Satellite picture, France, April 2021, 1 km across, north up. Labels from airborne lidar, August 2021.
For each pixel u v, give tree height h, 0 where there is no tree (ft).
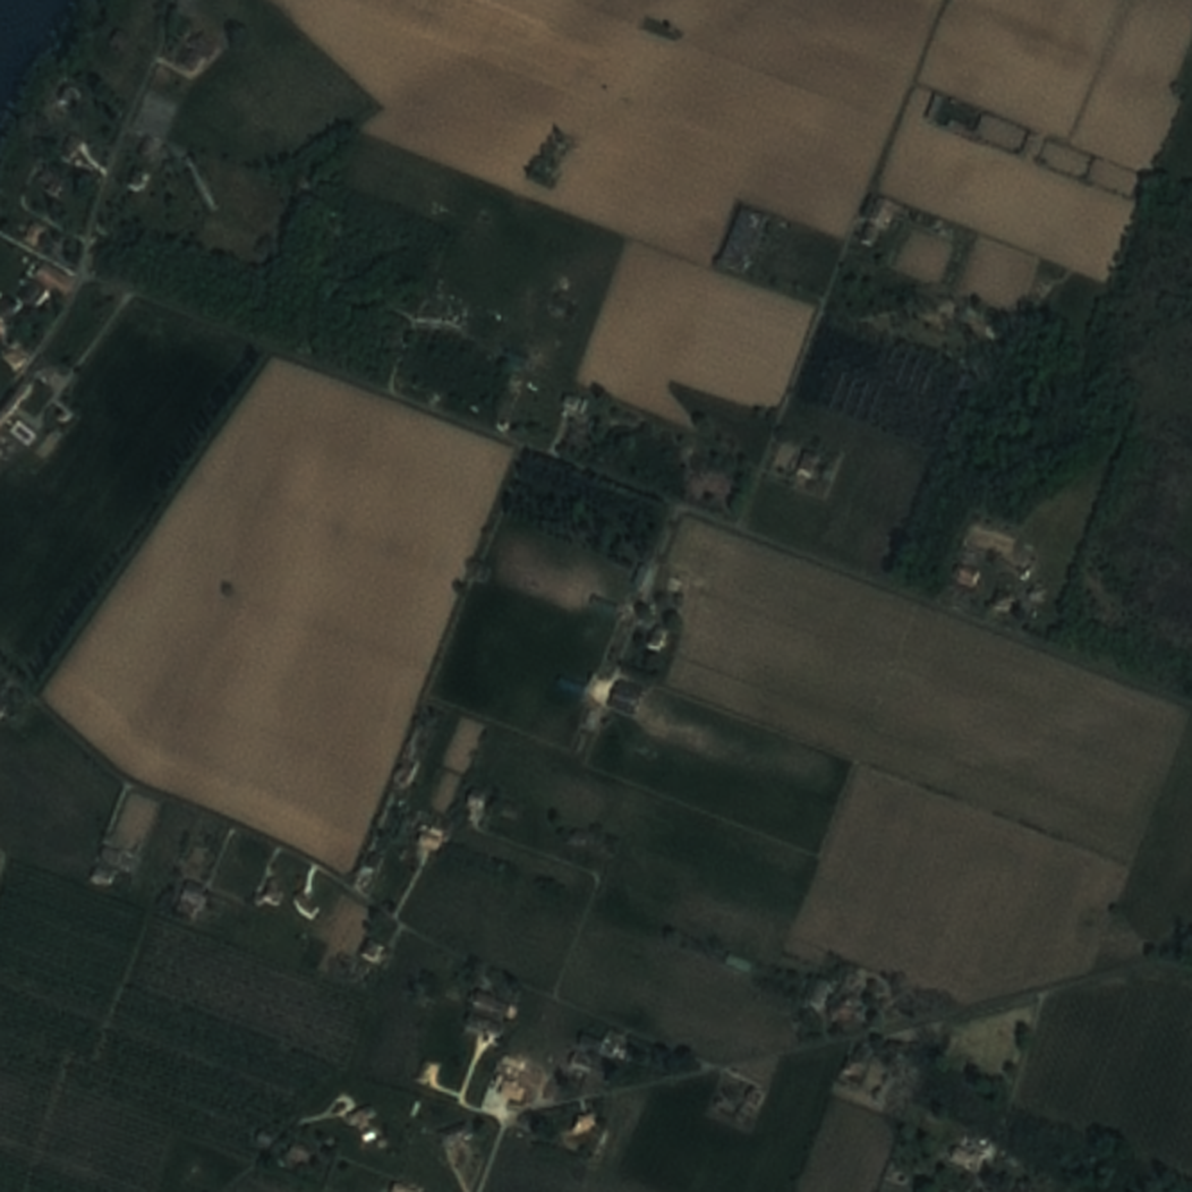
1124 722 0
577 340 0
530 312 0
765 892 0
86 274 0
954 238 0
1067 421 54
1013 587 0
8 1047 19
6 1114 20
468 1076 0
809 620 0
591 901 0
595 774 0
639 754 0
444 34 0
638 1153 0
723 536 0
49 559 0
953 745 0
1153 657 37
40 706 0
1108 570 17
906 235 0
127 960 18
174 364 0
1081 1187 89
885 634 0
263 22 0
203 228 0
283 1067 25
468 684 0
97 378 0
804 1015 34
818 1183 0
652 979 0
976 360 43
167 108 0
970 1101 29
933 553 52
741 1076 0
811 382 22
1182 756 0
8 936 23
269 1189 33
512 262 0
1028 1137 43
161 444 0
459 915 0
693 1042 0
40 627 0
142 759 0
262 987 20
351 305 45
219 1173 0
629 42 0
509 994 31
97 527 0
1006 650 0
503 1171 0
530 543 0
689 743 0
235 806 0
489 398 21
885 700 0
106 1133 19
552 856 0
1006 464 78
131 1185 18
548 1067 0
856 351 24
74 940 21
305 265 58
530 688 0
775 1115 0
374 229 22
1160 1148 24
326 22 0
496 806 38
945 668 0
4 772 0
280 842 0
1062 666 0
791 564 0
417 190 0
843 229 0
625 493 51
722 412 0
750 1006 0
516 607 0
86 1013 21
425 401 0
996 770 0
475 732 0
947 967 0
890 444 0
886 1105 24
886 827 0
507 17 0
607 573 0
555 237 0
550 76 0
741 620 0
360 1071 0
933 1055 44
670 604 41
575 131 0
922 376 30
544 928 0
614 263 0
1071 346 74
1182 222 25
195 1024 21
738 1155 0
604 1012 0
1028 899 0
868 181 0
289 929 0
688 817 0
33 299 0
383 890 0
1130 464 35
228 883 0
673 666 0
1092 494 0
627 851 0
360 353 30
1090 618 30
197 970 19
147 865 0
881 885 0
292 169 36
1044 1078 21
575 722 0
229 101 0
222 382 0
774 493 0
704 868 0
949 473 58
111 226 34
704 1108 0
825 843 0
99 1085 19
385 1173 0
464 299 0
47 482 0
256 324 46
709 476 0
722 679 0
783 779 0
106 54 0
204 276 44
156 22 29
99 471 0
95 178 39
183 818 0
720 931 0
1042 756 0
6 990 22
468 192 0
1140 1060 18
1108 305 20
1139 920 0
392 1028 0
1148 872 0
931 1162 37
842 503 0
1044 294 0
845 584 0
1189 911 0
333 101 0
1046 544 0
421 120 0
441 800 0
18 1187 17
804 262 0
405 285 40
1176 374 0
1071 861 0
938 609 0
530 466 40
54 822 0
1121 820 0
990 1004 0
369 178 0
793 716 0
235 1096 22
